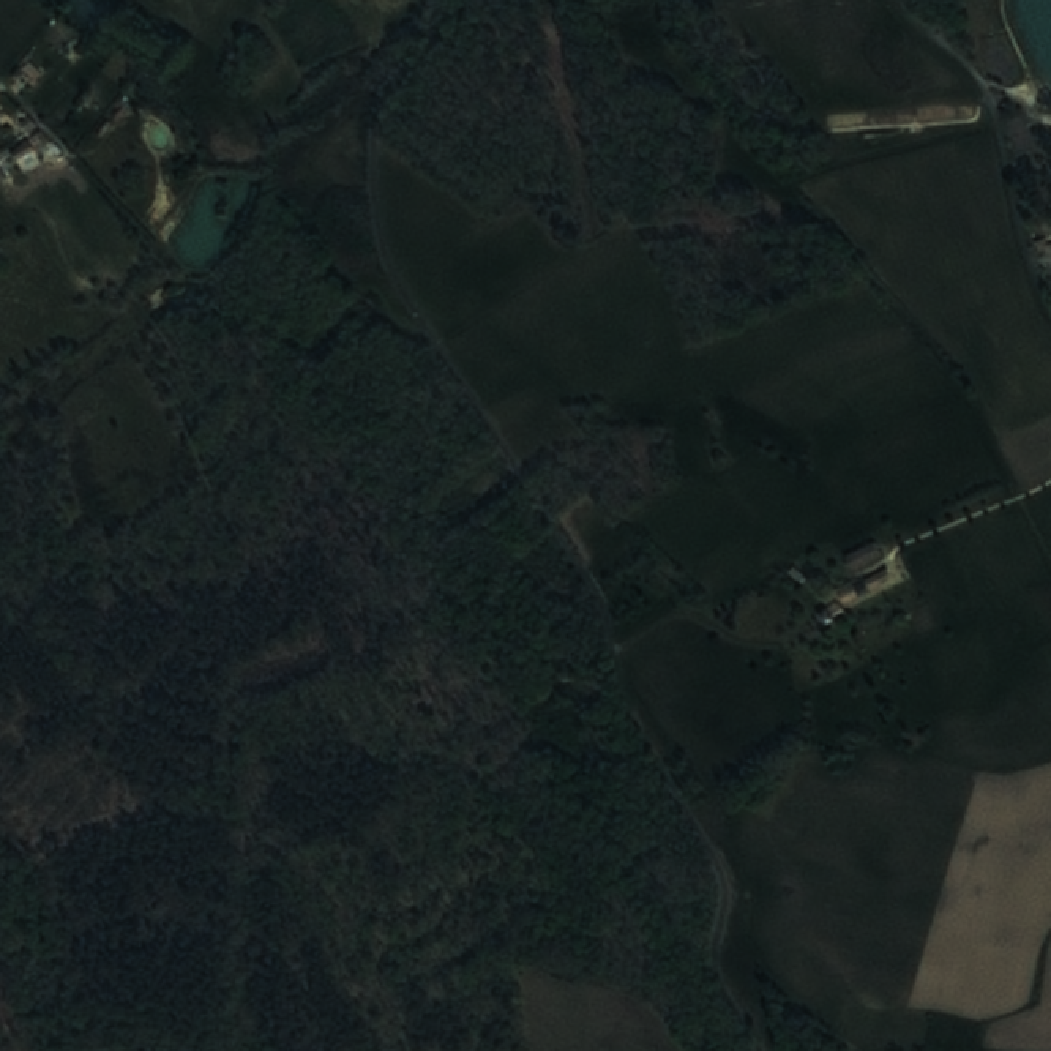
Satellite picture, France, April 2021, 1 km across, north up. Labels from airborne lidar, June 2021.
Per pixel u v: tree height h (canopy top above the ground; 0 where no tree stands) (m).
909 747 11
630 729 17
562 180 17
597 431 13
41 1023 25
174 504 15
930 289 0
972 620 0
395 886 15
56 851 22
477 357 0
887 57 0
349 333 13
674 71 0
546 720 7
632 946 19
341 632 25
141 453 0
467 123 20
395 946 8
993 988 0
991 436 0
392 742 16
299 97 8
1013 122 0
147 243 12
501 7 21
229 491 24
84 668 21
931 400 0
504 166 20
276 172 6
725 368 0
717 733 0
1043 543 0
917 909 0
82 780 0
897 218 0
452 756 16
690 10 22
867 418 0
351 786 19
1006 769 0
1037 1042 0
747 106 24
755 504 0
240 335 24
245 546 13
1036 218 19
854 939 0
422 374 17
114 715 20
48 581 12
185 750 21
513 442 0
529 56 15
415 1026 13
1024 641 0
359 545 12
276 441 10
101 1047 21
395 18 0
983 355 0
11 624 25
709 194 23
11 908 24
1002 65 0
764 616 0
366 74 17
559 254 0
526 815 17
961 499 11
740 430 0
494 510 21
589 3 23
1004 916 0
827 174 0
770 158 20
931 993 0
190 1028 18
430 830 17
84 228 0
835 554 0
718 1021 17
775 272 19
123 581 20
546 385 0
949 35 18
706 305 15
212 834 23
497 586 22
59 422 22
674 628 0
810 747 18
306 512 8
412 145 17
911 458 0
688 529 0
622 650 0
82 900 18
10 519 23
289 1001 13
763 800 18
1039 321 0
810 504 0
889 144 0
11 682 22
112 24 33
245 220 10
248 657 17
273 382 15
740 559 0
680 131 19
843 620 14
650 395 0
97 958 19
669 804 25
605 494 12
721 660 0
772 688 0
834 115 0
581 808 22
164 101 20
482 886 7
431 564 22
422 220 0
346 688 18
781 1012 23
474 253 0
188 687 20
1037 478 0
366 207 16
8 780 18
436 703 21
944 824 0
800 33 0
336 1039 17
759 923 0
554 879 18
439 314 0
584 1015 0
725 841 0
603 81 19
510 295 0
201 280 8
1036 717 0
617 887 20
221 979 18
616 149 22
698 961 24
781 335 0
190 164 8
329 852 20
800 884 0
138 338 0
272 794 9
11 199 0
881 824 0
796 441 0
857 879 0
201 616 23
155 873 23
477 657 19
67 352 20
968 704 0
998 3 0
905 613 7
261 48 22
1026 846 0
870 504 0
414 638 22
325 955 21
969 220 0
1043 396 0
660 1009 13
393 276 0
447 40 21
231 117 0
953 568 0
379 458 26
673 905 21
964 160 0
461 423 18
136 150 13
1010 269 0
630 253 0
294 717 18
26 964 10
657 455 11
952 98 0
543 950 12
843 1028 0
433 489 24
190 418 15
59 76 0
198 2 0
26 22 0
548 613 18
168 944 19
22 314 0
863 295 0
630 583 9
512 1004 15
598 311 0
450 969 14
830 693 0
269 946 10
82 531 15
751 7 0
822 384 0
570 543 10
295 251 22
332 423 23
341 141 0
